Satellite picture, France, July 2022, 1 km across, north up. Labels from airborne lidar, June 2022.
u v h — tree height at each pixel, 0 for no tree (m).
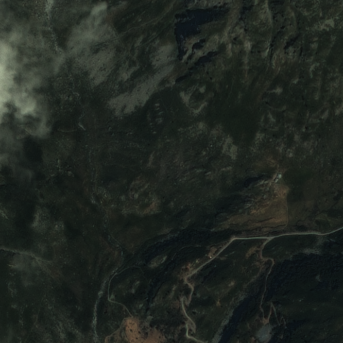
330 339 0
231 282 0
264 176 0
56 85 0
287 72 0
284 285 6
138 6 0
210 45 0
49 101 0
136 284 0
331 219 0
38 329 0
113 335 0
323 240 0
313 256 14
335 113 0
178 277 0
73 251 0
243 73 0
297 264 6
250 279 0
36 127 0
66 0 0
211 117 0
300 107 0
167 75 0
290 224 0
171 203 0
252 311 6
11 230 0
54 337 0
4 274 0
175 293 0
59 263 0
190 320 0
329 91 0
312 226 0
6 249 0
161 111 0
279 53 0
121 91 0
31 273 0
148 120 0
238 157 0
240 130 0
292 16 0
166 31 0
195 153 0
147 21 0
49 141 0
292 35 0
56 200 0
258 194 0
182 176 0
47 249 0
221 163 0
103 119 0
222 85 0
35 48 0
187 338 0
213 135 0
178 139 0
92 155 0
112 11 0
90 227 0
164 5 0
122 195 0
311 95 0
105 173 0
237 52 0
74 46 0
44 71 0
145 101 0
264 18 0
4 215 0
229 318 0
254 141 0
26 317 0
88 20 0
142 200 0
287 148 0
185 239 7
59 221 0
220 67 0
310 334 0
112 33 0
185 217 0
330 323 0
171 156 0
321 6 0
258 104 0
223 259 0
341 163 0
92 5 0
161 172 0
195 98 0
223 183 0
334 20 0
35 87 0
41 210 0
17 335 0
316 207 0
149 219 0
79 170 0
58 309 0
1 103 7
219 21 0
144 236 0
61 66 0
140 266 0
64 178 0
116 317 0
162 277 6
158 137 0
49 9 0
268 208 0
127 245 0
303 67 0
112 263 0
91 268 0
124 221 0
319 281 0
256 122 0
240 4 0
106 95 0
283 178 0
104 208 0
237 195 0
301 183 0
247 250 0
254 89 0
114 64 0
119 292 0
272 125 0
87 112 0
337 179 0
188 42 0
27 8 0
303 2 0
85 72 0
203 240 5
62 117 0
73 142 0
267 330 0
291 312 0
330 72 0
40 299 0
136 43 0
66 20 0
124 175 0
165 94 0
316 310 0
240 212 0
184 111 0
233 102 0
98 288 0
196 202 0
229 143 0
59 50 0
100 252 0
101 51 0
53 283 0
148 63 0
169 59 0
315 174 0
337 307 0
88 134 0
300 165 0
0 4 5
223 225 0
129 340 0
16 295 0
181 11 0
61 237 0
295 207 0
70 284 0
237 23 0
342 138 0
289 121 0
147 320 0
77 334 0
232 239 0
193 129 0
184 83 0
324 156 0
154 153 0
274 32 0
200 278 0
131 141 0
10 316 0
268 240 0
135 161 0
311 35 0
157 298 0
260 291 6
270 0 0
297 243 0
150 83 0
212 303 0
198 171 0
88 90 0
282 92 0
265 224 0
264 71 0
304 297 0
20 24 0
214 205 0
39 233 0
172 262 9
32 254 0
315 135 0
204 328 0
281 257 0
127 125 0
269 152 0
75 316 0
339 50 0
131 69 0
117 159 0
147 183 0
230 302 0
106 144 0
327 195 0
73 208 0
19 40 0
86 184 0
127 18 0
